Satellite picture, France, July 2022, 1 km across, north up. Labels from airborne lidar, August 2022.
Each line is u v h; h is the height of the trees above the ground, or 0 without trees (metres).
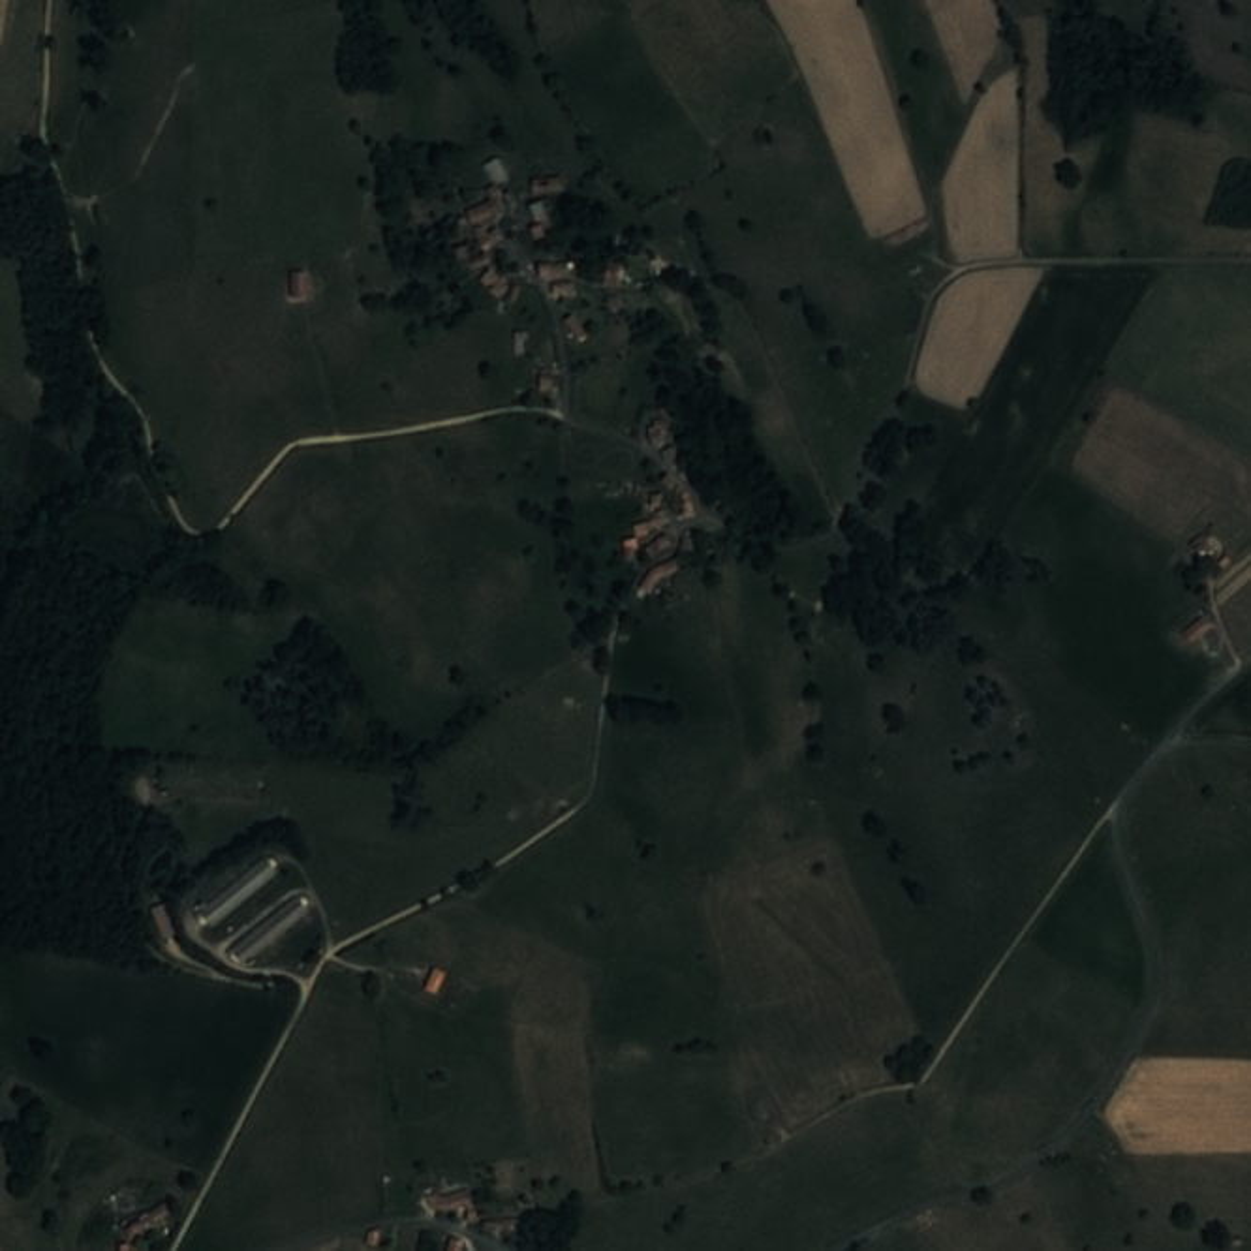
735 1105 0
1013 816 0
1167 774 0
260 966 0
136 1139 0
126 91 0
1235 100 0
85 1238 0
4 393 0
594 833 0
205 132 0
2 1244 0
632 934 0
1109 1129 0
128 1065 0
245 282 0
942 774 0
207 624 0
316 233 0
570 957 0
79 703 9
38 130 0
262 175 0
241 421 0
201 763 0
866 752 0
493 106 0
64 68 0
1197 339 0
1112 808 0
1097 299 0
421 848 0
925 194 0
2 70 0
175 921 14
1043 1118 0
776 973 0
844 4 0
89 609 15
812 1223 0
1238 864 0
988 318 0
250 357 0
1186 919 0
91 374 25
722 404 18
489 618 0
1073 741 0
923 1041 7
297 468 0
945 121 0
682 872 0
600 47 0
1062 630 0
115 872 16
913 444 14
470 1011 0
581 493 0
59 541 21
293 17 0
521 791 0
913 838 0
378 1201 0
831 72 0
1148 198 0
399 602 0
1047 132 0
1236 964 0
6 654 20
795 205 0
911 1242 0
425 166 7
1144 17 0
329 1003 0
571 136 0
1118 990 0
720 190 0
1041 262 0
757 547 15
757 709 0
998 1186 0
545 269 0
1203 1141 0
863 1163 0
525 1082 0
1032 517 0
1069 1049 0
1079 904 0
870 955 0
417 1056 0
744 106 0
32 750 17
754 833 0
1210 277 0
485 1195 6
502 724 0
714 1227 0
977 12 0
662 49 0
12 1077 0
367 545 0
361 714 0
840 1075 0
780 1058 0
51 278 14
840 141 0
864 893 0
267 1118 0
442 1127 0
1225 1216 0
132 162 0
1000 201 0
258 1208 0
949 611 15
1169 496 0
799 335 0
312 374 0
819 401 0
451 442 0
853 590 21
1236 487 0
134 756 15
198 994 0
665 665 0
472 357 0
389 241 12
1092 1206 0
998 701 11
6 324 0
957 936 0
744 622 0
